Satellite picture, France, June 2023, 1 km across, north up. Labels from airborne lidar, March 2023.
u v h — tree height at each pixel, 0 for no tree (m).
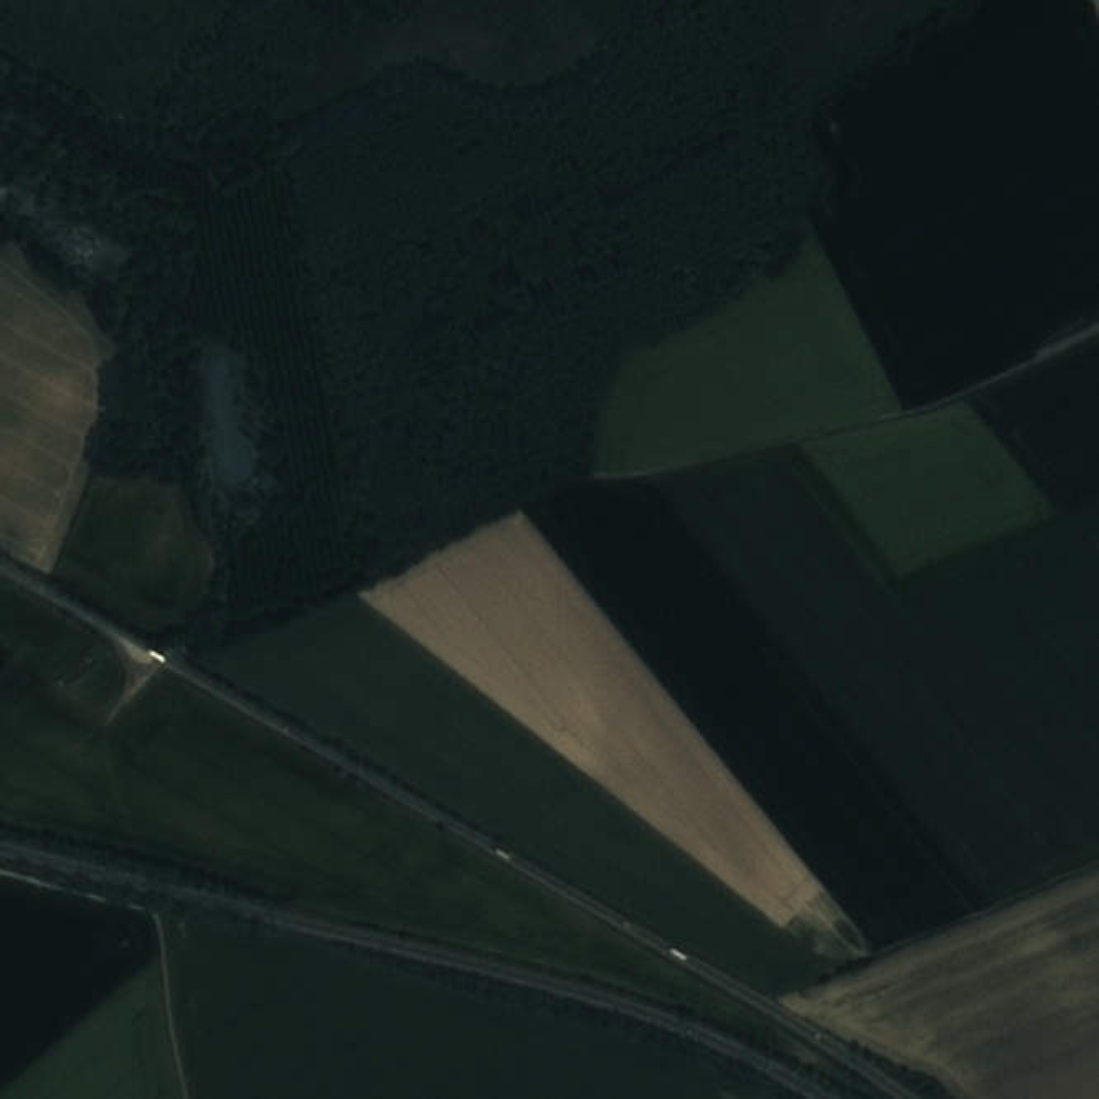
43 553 0
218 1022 0
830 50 0
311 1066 0
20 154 26
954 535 0
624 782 0
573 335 30
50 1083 0
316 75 0
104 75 0
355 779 8
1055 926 0
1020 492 0
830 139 0
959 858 0
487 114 31
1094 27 0
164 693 0
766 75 24
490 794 0
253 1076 0
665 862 0
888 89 0
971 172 0
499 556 0
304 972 0
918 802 0
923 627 0
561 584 0
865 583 0
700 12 30
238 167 29
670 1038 15
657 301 30
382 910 0
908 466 0
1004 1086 0
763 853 0
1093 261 0
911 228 0
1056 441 0
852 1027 0
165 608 0
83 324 0
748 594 0
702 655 0
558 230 21
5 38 0
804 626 0
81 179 7
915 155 0
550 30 0
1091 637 0
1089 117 0
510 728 0
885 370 0
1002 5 0
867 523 0
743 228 25
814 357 0
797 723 0
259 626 17
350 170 30
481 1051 0
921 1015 0
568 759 0
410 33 0
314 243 23
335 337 25
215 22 0
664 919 0
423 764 0
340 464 7
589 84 29
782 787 0
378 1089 0
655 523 0
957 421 0
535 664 0
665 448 0
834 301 0
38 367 0
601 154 32
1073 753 0
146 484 0
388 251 16
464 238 20
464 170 27
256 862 0
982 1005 0
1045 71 0
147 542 0
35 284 0
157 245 6
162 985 0
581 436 28
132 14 0
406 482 32
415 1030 0
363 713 0
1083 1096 0
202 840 0
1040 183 0
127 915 0
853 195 0
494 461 28
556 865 0
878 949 0
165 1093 0
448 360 29
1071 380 0
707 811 0
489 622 0
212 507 24
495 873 0
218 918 15
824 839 0
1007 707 0
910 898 0
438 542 15
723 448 0
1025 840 0
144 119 0
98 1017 0
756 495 0
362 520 14
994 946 0
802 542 0
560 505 0
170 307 24
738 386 0
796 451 0
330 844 0
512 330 22
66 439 0
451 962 0
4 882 0
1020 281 0
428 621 0
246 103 23
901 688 0
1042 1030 0
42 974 0
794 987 0
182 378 27
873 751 0
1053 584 0
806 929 0
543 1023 0
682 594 0
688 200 16
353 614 0
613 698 0
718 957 0
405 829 0
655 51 28
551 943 0
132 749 0
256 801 0
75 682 0
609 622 0
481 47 0
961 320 0
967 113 0
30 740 0
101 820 0
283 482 14
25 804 0
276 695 0
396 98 32
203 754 0
